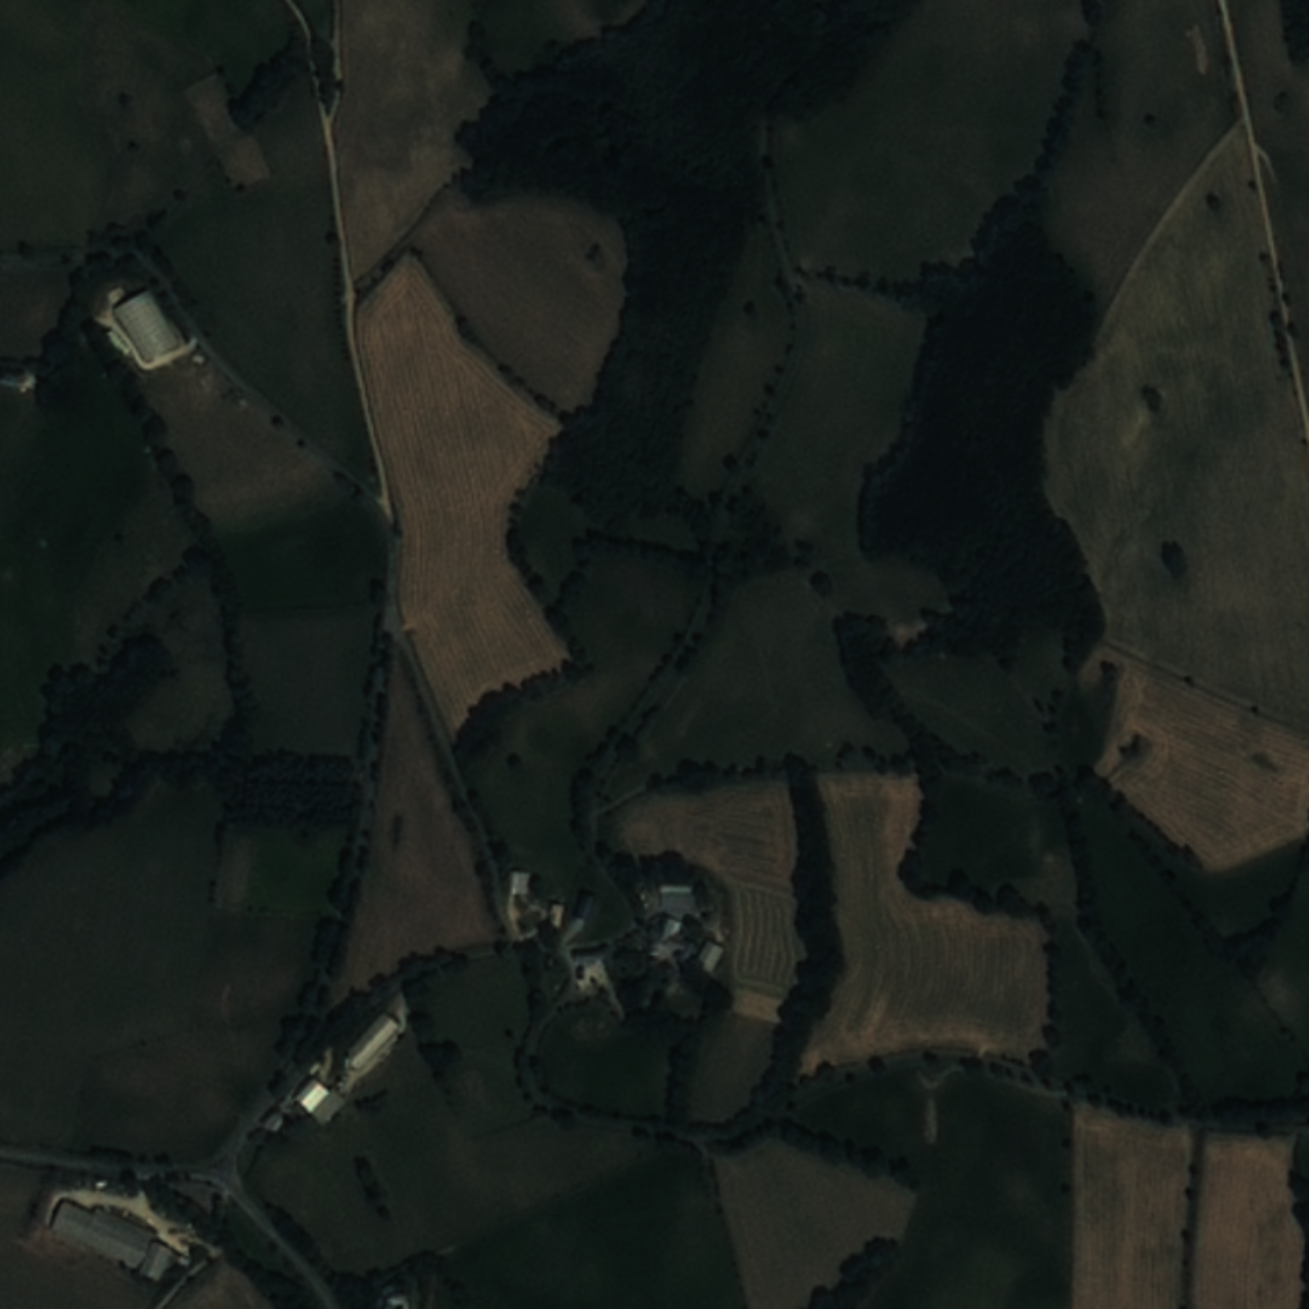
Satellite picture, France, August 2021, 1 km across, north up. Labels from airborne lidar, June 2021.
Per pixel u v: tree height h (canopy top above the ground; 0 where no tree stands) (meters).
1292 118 0
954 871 0
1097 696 0
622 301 0
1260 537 0
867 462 0
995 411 24
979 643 22
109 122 0
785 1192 0
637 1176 0
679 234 26
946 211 0
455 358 0
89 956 0
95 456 0
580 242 0
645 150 24
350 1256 0
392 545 0
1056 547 21
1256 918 0
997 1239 0
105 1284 0
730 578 16
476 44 7
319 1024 14
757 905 0
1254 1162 0
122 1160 13
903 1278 0
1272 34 0
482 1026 0
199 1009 0
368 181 0
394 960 0
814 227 0
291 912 0
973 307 21
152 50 0
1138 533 0
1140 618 0
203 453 0
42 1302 0
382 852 0
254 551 0
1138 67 0
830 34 24
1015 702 0
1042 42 0
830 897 22
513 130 25
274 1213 9
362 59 0
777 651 0
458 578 0
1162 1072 0
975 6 0
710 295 17
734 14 30
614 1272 0
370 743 10
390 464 0
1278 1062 0
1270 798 0
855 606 0
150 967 0
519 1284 0
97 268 14
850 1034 0
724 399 0
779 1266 0
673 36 20
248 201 0
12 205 0
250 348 0
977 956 0
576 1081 0
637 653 0
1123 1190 0
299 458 0
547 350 0
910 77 0
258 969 0
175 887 0
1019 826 0
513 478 0
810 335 0
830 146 0
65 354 24
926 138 0
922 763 17
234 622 17
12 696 0
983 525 21
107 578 0
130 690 21
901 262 0
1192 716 0
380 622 7
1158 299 0
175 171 0
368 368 0
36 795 12
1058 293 23
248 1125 0
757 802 0
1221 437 0
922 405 18
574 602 15
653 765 0
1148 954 0
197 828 0
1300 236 0
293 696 0
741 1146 12
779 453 0
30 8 0
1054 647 0
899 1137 0
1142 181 0
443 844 0
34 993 0
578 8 0
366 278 0
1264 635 0
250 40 0
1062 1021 14
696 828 0
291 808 12
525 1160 0
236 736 19
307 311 0
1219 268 0
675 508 17
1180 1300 0
